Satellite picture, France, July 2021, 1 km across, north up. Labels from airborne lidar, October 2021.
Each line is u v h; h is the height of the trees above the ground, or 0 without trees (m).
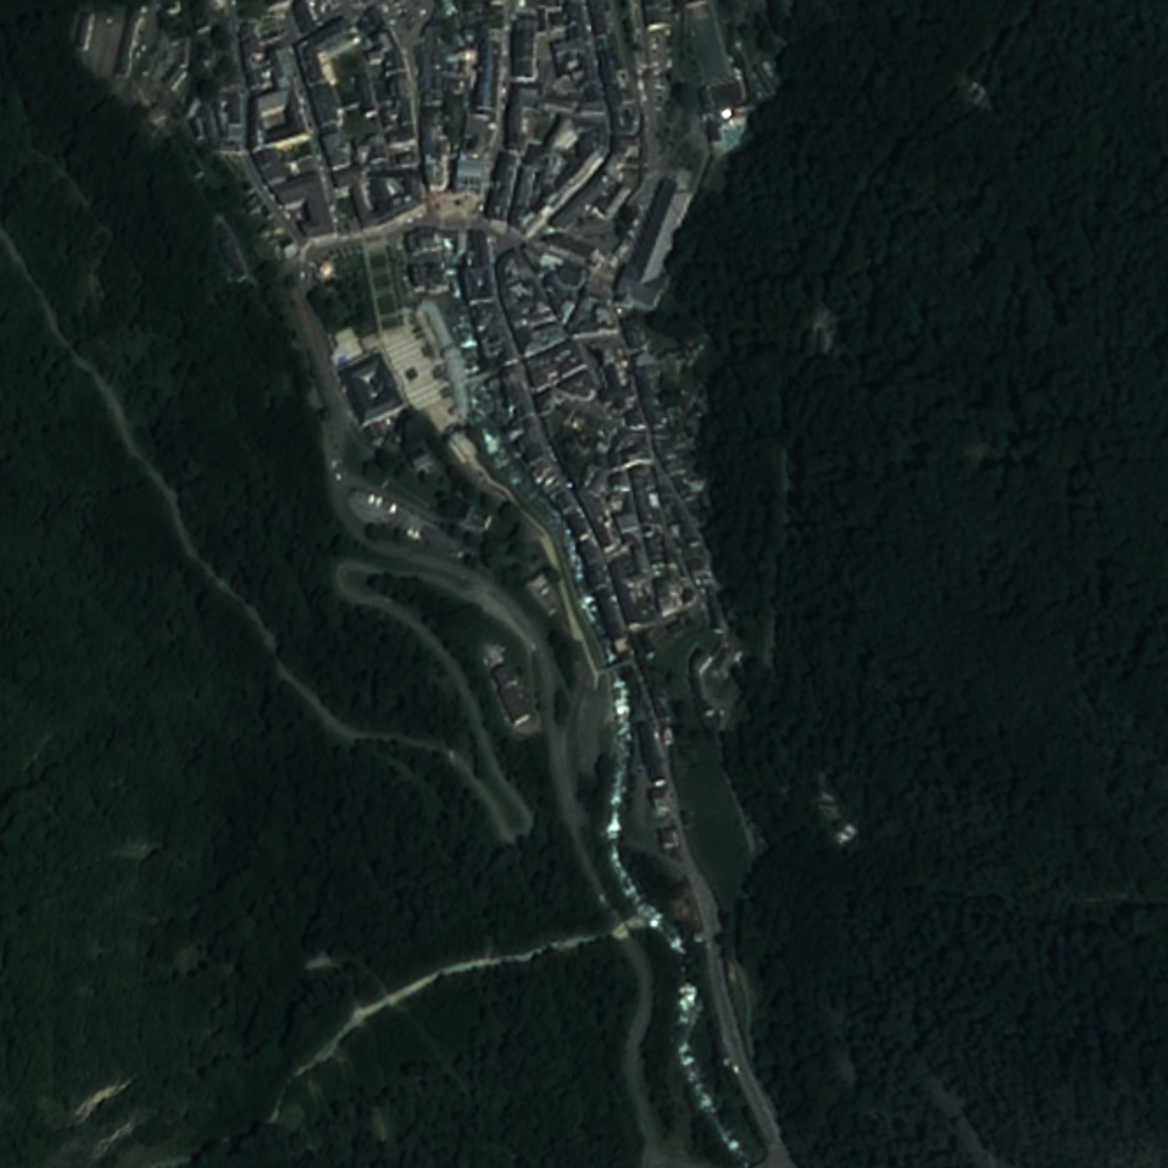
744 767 10
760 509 26
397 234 0
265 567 22
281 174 0
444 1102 15
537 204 0
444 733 23
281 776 35
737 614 12
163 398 25
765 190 20
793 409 22
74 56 15
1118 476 27
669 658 0
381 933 22
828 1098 26
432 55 0
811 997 18
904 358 22
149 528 23
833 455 28
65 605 41
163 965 34
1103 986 25
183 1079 31
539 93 0
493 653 0
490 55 0
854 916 10
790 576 7
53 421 26
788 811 8
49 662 38
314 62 0
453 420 0
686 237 24
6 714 28
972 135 24
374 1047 8
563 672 8
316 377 7
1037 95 11
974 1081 21
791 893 18
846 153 29
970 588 34
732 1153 10
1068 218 21
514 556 12
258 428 11
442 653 0
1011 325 12
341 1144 13
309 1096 11
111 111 25
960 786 10
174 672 22
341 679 28
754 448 25
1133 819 14
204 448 18
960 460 27
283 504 28
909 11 18
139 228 14
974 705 18
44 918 31
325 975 8
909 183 23
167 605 28
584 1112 24
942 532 22
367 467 11
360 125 0
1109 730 13
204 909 27
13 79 15
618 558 0
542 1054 20
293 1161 12
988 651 26
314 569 28
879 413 39
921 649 20
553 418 9
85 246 15
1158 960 20
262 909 28
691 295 22
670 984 14
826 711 12
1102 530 26
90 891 18
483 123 0
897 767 24
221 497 26
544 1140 27
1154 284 23
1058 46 24
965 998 33
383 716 27
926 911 12
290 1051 25
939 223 27
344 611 32
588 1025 19
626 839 9
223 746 33
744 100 0
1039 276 14
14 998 24
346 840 29
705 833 0
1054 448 33
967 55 18
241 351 14
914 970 11
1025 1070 14
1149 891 28
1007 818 21
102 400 26
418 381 0
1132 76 25
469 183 0
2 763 26
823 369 19
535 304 0
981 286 25
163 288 16
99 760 21
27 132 7
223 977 23
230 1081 27
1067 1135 6
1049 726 19
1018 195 29
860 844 8
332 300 12
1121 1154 6
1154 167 20
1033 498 28
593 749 0
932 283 23
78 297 14
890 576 32
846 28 13
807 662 7
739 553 19
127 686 27
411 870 28
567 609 0
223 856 21
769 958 9
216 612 25
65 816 20
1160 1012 21
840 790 19
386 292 0
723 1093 13
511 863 36
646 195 0
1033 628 23
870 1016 12
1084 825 21
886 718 14
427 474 15
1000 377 14
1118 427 17
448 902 25
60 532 29
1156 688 27
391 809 24
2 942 28
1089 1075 17
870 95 15
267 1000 30
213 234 19
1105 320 13
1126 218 16
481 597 0
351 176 0
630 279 0
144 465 22
